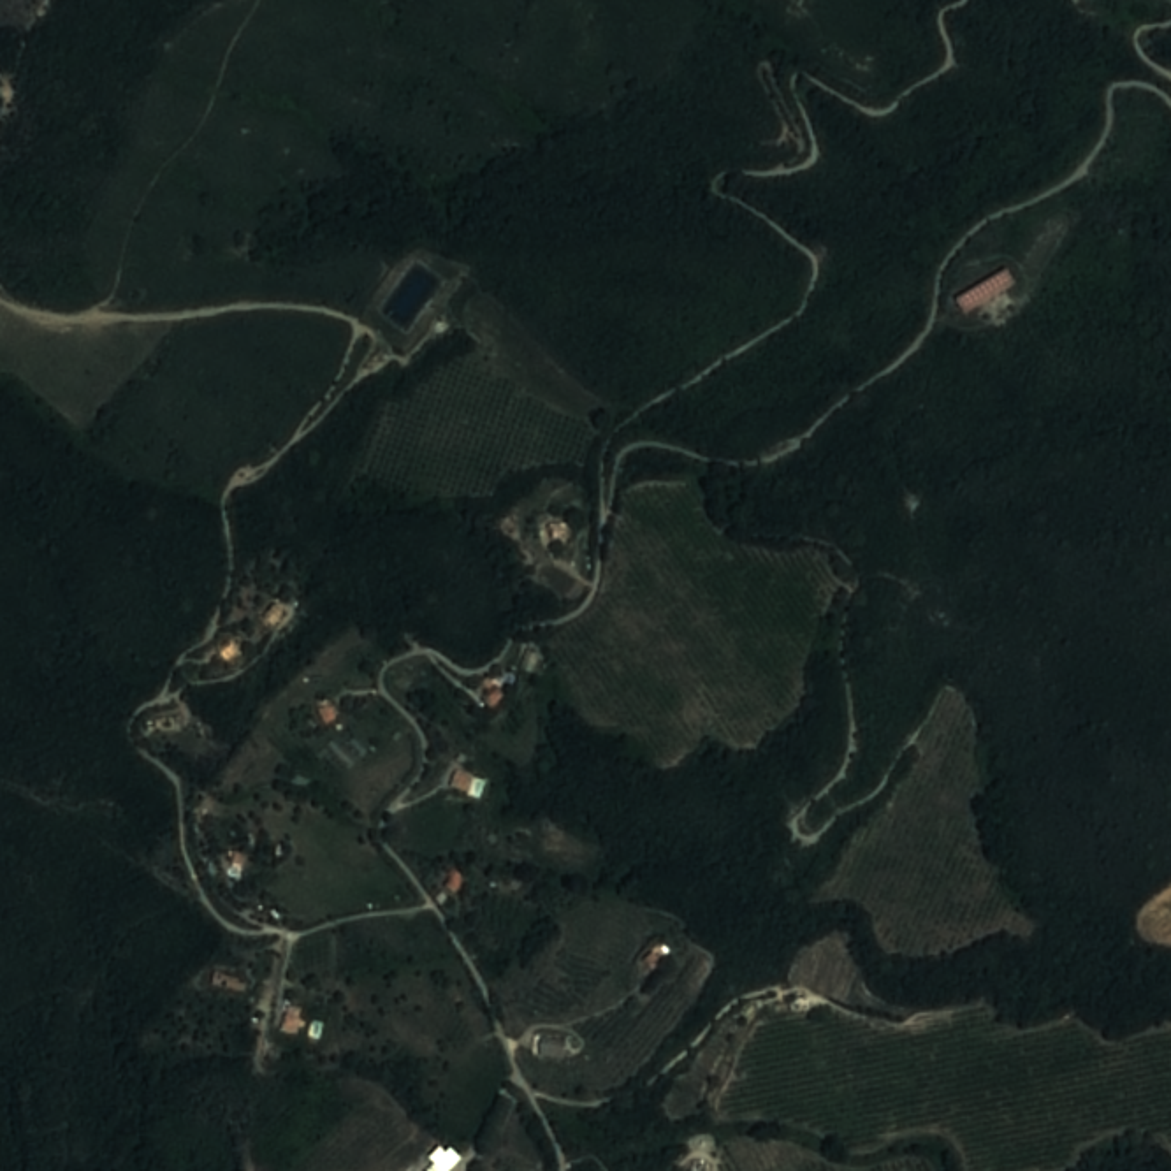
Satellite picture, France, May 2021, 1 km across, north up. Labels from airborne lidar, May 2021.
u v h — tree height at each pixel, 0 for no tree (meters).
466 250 5
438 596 6
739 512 16
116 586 6
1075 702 6
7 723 6
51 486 8
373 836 11
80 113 9
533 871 24
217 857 7
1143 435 12
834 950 0
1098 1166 23
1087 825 6
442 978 8
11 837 6
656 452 8
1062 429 14
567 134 13
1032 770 5
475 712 14
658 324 6
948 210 6
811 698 10
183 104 0
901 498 5
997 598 7
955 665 7
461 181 11
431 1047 0
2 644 6
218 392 7
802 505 13
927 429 6
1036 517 9
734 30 7
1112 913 7
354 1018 6
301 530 6
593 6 0
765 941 10
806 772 10
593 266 6
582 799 12
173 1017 8
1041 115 10
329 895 0
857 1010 7
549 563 0
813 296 6
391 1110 0
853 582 8
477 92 0
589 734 8
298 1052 7
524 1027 0
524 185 18
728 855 9
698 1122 12
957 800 0
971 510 5
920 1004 10
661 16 0
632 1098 8
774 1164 0
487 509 8
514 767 10
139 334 0
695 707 0
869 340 6
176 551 7
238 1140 11
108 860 5
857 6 0
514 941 6
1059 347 6
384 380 8
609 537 14
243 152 0
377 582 8
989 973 17
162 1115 6
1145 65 6
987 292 0
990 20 9
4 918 11
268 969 6
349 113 0
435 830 0
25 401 7
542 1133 9
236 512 8
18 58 8
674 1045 6
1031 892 7
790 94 8
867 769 6
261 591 8
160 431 7
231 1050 9
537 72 0
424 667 0
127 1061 11
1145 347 11
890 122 6
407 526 6
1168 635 5
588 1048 0
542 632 11
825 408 7
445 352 9
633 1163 9
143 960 5
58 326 0
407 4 7
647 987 13
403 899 0
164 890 6
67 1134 6
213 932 8
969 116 7
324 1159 0
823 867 8
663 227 9
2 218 8
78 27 8
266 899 8
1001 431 13
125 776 6
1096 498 6
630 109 11
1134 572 6
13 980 6
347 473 6
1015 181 6
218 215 0
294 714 8
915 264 7
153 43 9
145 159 0
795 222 12
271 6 0
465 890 7
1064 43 11
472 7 0
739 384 7
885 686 8
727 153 8
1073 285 8
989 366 10
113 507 8
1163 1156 15
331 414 7
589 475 6
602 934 0
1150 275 8
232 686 8
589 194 11
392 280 0
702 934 9
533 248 6
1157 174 6
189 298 0
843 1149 20
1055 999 19
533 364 0
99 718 8
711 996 12
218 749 6
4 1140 8
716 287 5
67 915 6
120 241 0
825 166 6
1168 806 7
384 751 0
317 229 12
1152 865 9
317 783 8
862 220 17
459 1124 0
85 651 13
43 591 6
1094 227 7
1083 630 6
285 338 0
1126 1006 25
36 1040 13
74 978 6
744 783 9
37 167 7
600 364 7
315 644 6
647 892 9
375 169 10
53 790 7
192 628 8
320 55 0
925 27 6
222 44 0
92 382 0
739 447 5
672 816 6
